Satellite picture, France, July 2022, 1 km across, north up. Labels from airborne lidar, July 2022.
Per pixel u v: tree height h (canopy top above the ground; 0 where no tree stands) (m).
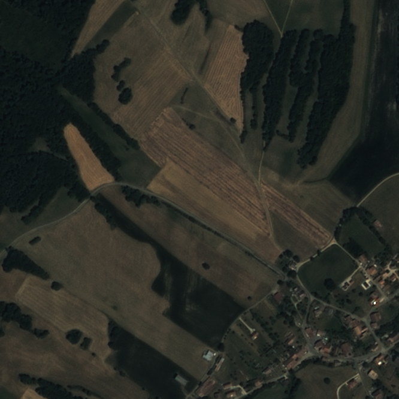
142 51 0
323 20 0
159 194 0
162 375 0
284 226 0
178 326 0
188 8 18
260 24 16
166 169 0
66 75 21
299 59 17
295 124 17
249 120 0
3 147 19
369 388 0
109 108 0
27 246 0
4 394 0
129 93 16
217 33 0
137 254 0
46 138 23
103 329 0
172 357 0
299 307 9
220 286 0
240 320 0
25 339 0
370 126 0
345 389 0
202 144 0
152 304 0
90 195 16
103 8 0
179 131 0
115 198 0
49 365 0
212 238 0
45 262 0
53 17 19
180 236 0
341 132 0
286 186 0
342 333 6
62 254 0
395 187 0
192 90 0
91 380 0
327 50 15
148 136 0
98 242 0
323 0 0
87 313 0
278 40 0
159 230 0
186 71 0
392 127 0
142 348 0
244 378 0
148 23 0
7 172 15
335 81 13
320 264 0
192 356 0
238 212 0
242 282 0
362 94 0
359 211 17
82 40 0
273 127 15
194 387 0
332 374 0
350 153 0
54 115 24
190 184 0
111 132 0
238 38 0
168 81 0
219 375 0
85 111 0
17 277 0
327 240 0
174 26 0
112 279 0
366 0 0
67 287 0
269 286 0
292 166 0
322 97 15
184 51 0
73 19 25
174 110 0
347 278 0
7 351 0
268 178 0
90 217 0
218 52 0
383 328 10
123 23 0
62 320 0
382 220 0
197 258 0
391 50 0
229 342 0
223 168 0
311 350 0
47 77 24
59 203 0
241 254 0
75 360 0
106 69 0
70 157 16
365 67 0
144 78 0
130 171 0
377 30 0
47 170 20
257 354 0
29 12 22
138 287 0
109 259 0
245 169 0
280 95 19
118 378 0
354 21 0
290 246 0
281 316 8
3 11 0
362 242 0
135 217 0
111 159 19
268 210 0
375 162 0
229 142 0
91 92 22
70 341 17
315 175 0
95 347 0
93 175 0
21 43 0
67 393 16
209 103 0
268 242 0
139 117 0
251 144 0
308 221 0
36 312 0
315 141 17
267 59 18
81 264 0
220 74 0
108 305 0
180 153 0
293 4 0
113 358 0
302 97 18
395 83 0
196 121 0
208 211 0
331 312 0
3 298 0
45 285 0
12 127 21
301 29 0
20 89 17
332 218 0
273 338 8
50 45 0
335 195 0
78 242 0
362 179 0
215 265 0
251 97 0
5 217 0
